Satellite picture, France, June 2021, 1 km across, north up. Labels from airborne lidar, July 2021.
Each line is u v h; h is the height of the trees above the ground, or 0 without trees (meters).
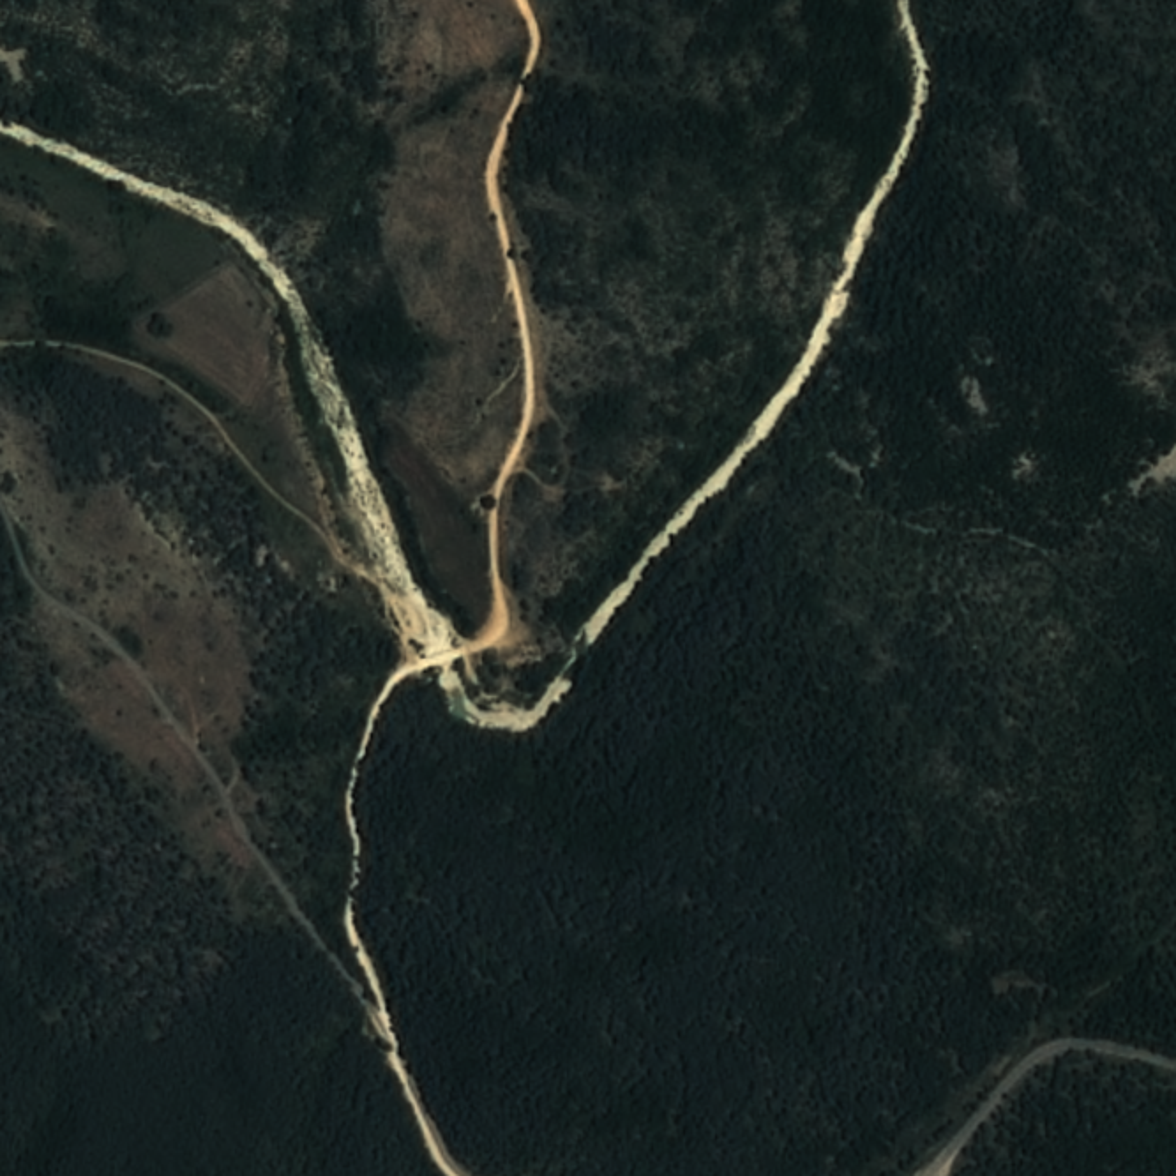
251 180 9
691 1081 14
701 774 10
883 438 7
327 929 10
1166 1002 12
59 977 15
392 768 10
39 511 0
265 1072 17
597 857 14
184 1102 16
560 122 13
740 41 10
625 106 8
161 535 0
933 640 8
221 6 0
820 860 15
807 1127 7
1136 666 8
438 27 0
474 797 12
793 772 11
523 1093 14
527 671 11
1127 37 7
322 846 14
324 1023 15
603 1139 8
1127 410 8
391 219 0
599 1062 12
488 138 0
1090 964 7
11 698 16
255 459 0
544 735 20
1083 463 8
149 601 0
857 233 0
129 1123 15
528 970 12
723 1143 13
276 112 8
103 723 0
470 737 11
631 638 14
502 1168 9
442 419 0
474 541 0
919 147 13
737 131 11
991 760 7
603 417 8
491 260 0
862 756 10
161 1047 18
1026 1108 11
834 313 0
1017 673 8
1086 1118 12
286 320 12
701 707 13
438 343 0
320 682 9
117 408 16
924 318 8
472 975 11
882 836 8
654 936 15
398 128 0
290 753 7
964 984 6
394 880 8
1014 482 7
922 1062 13
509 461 0
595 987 11
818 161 9
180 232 0
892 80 10
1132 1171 12
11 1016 16
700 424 8
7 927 11
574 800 14
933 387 9
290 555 0
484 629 0
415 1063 10
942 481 11
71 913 19
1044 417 7
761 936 13
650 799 13
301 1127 10
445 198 0
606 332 0
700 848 10
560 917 13
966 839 6
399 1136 13
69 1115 16
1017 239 9
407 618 0
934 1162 0
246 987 16
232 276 0
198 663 0
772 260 6
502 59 0
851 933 9
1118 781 10
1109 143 7
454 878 14
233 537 18
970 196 10
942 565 7
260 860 0
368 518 0
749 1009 8
